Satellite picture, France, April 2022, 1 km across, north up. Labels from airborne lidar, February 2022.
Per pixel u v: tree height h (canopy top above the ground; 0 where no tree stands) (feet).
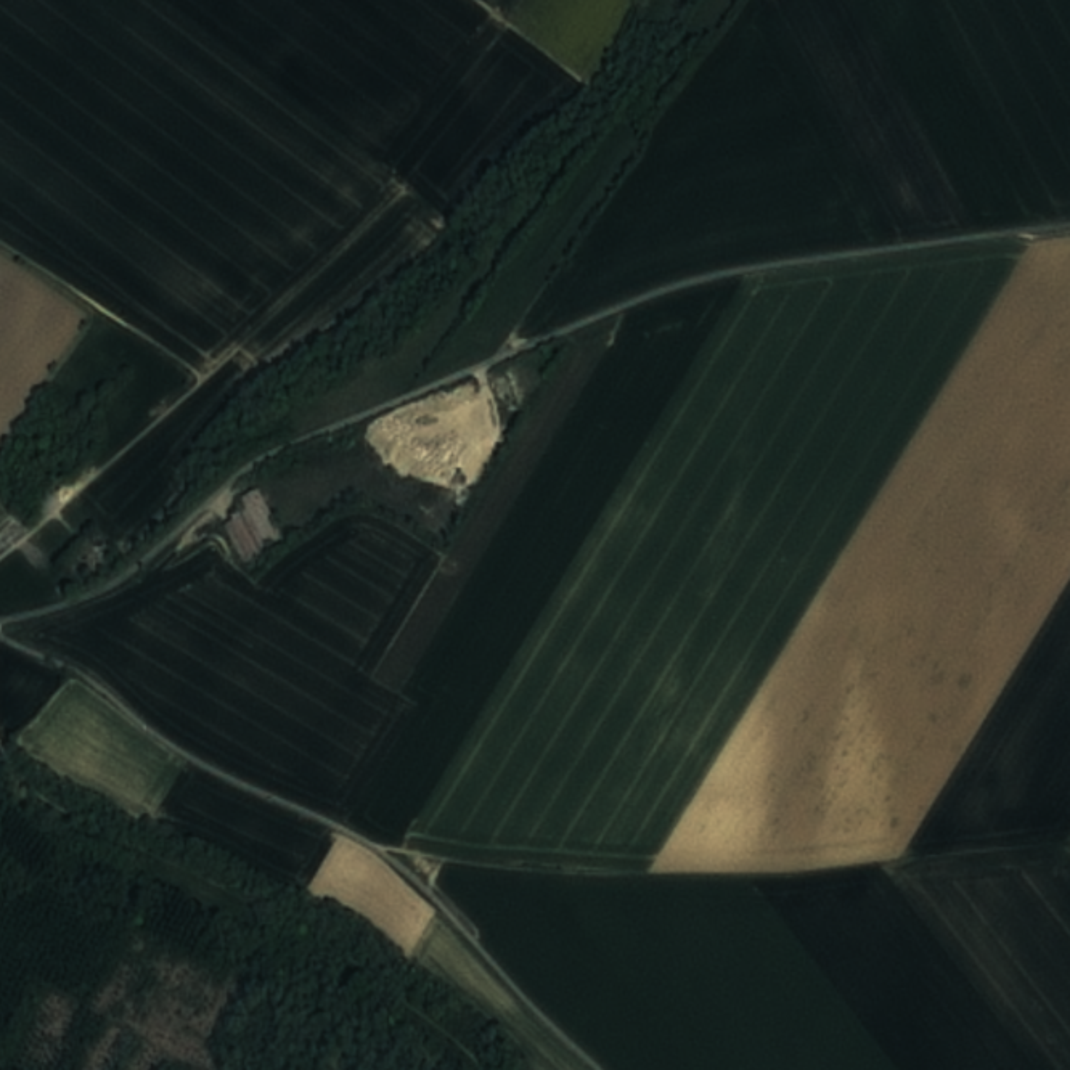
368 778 0
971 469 0
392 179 0
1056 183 0
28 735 0
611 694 0
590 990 0
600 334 0
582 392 0
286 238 0
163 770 0
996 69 0
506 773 0
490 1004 0
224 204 0
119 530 0
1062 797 0
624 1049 0
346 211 0
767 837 0
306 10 0
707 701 0
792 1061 0
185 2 0
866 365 0
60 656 0
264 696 0
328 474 0
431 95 0
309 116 0
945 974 0
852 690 0
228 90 0
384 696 0
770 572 0
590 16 0
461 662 0
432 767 0
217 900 0
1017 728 0
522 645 0
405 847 0
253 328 0
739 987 0
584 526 0
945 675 0
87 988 27
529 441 0
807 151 0
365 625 0
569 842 0
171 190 0
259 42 0
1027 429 0
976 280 0
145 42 0
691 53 28
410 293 48
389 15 0
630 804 0
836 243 0
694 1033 0
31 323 0
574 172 47
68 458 54
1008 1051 0
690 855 0
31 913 26
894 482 0
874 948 0
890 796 0
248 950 35
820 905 0
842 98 0
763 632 0
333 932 65
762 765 0
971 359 0
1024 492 0
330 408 0
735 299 0
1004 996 0
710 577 0
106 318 0
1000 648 0
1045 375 0
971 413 0
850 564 0
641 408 0
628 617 0
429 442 0
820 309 0
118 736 0
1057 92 0
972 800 0
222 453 49
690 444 0
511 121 0
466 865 0
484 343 0
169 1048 0
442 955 0
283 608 0
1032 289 0
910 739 0
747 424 0
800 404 0
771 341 0
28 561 0
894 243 0
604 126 54
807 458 0
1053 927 0
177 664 0
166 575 0
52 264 0
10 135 0
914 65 0
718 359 0
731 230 0
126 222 0
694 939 0
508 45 0
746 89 0
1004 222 0
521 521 0
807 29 0
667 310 0
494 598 0
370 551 0
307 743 0
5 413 0
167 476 0
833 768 0
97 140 0
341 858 0
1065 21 0
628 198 0
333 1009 53
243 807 0
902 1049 0
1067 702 0
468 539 0
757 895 0
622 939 0
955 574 0
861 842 0
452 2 0
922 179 0
